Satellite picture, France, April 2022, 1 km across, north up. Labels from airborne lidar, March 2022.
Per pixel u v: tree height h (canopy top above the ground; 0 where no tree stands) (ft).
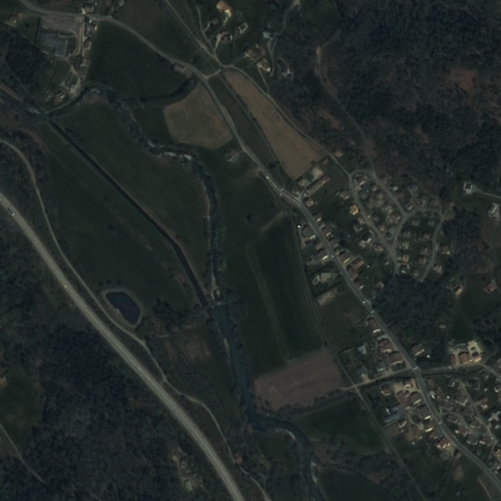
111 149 0
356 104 50
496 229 0
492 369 0
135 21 0
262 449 0
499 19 64
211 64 0
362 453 0
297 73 76
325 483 0
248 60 0
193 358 0
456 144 39
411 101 72
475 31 80
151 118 0
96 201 0
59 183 0
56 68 0
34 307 87
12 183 29
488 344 54
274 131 0
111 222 0
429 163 68
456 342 0
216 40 0
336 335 0
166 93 0
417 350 0
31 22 0
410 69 57
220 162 0
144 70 0
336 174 0
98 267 0
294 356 0
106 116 0
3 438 0
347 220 0
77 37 0
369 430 0
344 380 30
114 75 0
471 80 0
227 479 0
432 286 64
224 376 0
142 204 0
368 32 89
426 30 91
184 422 0
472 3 57
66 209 0
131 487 60
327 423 0
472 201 0
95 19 0
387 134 55
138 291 0
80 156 0
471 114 39
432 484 0
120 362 37
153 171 0
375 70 51
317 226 0
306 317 0
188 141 0
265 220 0
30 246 26
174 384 46
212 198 0
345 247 60
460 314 0
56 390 88
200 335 0
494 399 0
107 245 0
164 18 0
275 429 41
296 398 0
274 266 0
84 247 0
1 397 0
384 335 0
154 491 103
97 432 65
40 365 82
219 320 0
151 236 0
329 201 0
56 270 0
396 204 0
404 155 32
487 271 0
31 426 0
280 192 0
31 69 56
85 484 73
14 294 94
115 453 92
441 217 0
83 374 69
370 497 0
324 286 19
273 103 0
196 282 0
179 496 78
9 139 71
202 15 0
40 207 40
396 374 0
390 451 0
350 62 47
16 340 86
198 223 0
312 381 0
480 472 0
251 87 0
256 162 0
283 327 0
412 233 0
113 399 115
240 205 0
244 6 0
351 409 0
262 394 0
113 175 0
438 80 66
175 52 0
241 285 0
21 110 71
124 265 0
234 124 0
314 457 49
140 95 0
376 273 0
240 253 0
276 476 68
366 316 0
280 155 0
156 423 27
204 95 0
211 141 0
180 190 0
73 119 0
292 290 0
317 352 0
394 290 82
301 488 85
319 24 0
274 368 0
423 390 0
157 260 57
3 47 50
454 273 38
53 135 0
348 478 0
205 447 0
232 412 0
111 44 0
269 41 0
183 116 0
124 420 91
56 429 89
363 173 0
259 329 0
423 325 102
